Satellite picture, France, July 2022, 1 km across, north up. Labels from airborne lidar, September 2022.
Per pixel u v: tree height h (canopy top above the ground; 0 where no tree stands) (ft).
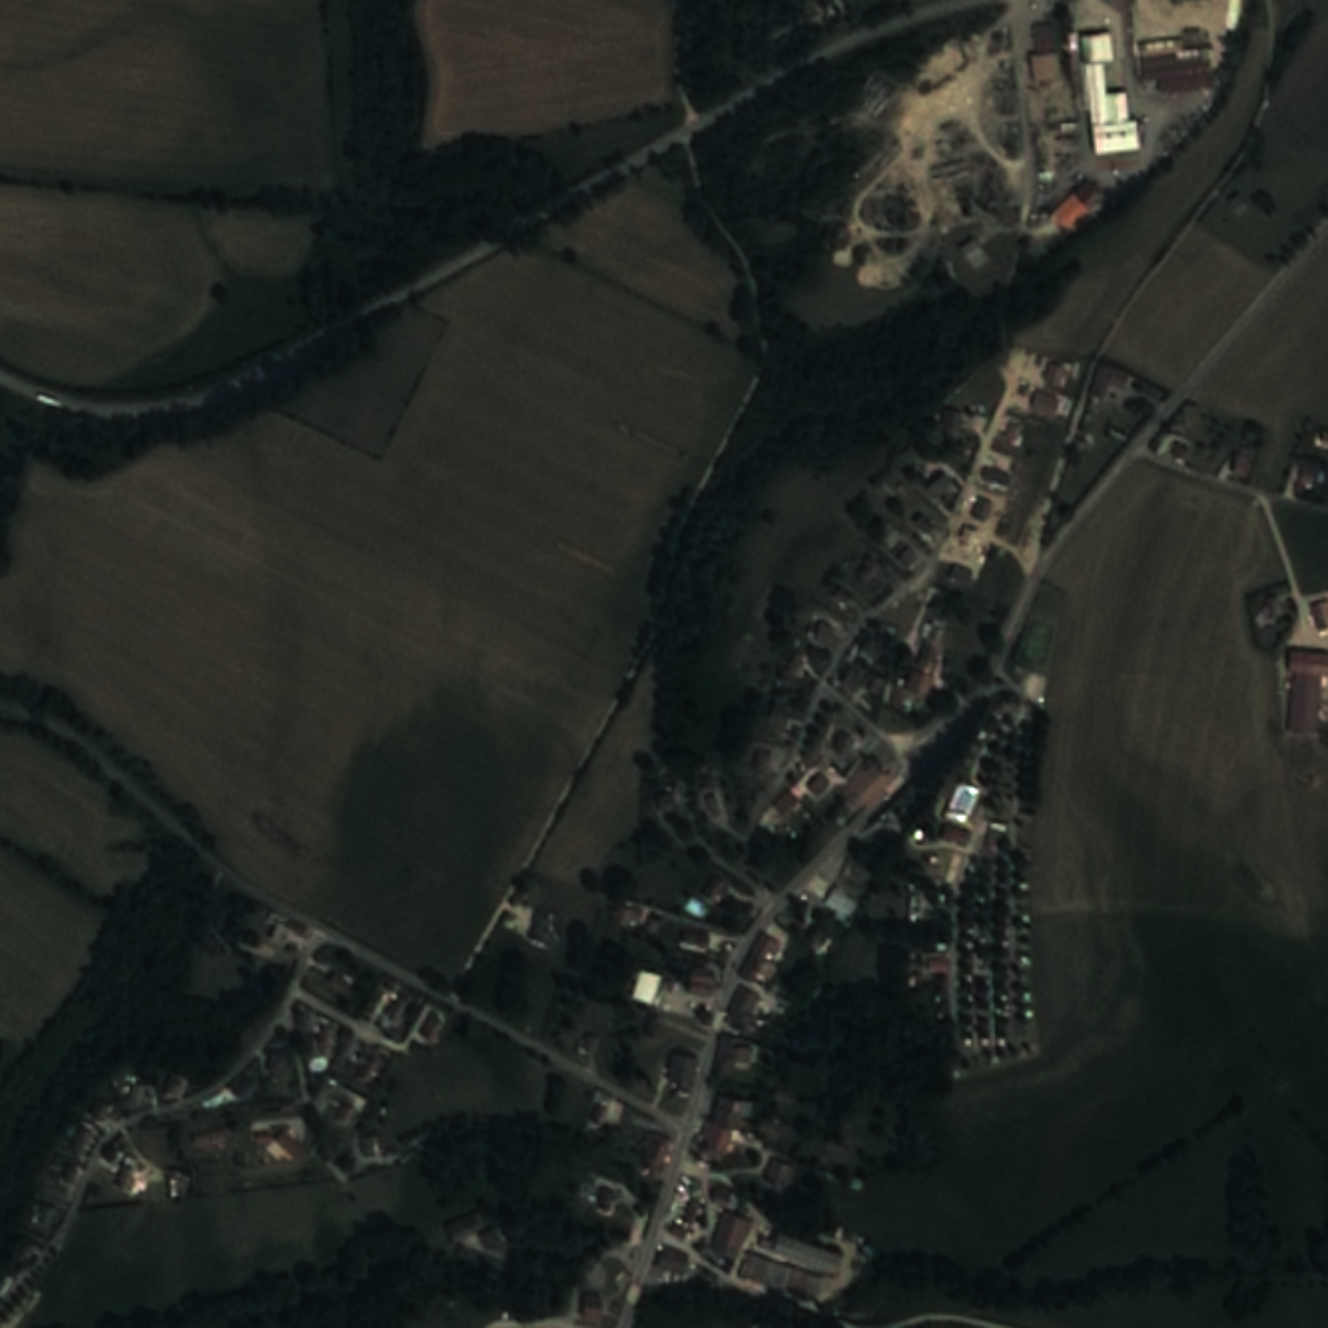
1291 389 0
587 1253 60
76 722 32
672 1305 69
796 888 0
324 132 0
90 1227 0
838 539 0
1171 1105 0
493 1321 0
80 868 0
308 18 0
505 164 61
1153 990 0
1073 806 0
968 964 39
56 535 0
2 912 0
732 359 0
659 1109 0
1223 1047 0
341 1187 0
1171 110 0
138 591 0
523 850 0
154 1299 0
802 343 48
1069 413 0
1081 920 0
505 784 0
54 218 0
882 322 24
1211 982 0
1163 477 0
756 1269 0
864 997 66
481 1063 0
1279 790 0
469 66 0
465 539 0
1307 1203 0
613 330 0
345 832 0
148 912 25
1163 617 0
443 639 0
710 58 24
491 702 0
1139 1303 0
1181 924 0
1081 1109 0
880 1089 33
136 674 0
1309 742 0
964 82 0
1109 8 0
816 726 26
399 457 0
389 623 0
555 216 49
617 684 0
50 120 0
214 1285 0
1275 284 0
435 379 0
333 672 0
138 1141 0
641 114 33
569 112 0
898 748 0
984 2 0
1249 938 0
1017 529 0
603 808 0
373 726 0
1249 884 0
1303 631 0
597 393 0
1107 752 0
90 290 0
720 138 21
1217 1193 0
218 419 65
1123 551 0
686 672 24
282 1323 37
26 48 0
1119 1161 0
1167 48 0
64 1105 43
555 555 0
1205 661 0
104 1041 39
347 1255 45
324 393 0
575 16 0
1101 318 0
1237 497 0
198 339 0
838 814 22
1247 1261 82
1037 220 0
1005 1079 0
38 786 0
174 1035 58
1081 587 0
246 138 0
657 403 0
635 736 0
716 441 0
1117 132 0
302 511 0
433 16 0
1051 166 0
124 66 0
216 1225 0
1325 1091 0
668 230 0
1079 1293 57
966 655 0
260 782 0
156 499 0
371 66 63
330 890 0
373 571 0
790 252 19
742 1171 0
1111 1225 0
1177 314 0
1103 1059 0
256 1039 0
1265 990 0
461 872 0
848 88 24
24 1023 0
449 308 0
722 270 0
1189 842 0
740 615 0
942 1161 35
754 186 23
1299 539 0
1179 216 0
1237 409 0
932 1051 61
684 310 0
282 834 0
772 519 36
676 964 26
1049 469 0
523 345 0
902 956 65
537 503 0
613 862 0
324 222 32
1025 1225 0
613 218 0
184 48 0
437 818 0
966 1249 0
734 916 21
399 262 40
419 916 0
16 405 0
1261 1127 0
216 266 0
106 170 0
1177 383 0
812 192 37
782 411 29
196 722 0
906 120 0
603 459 0
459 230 59
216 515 0
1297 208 0
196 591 0
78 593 0
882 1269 57
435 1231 0
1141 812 0
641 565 0
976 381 0
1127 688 0
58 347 0
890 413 41
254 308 0
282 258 0
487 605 0
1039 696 0
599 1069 0
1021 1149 0
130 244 0
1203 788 0
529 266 0
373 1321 89
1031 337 0
